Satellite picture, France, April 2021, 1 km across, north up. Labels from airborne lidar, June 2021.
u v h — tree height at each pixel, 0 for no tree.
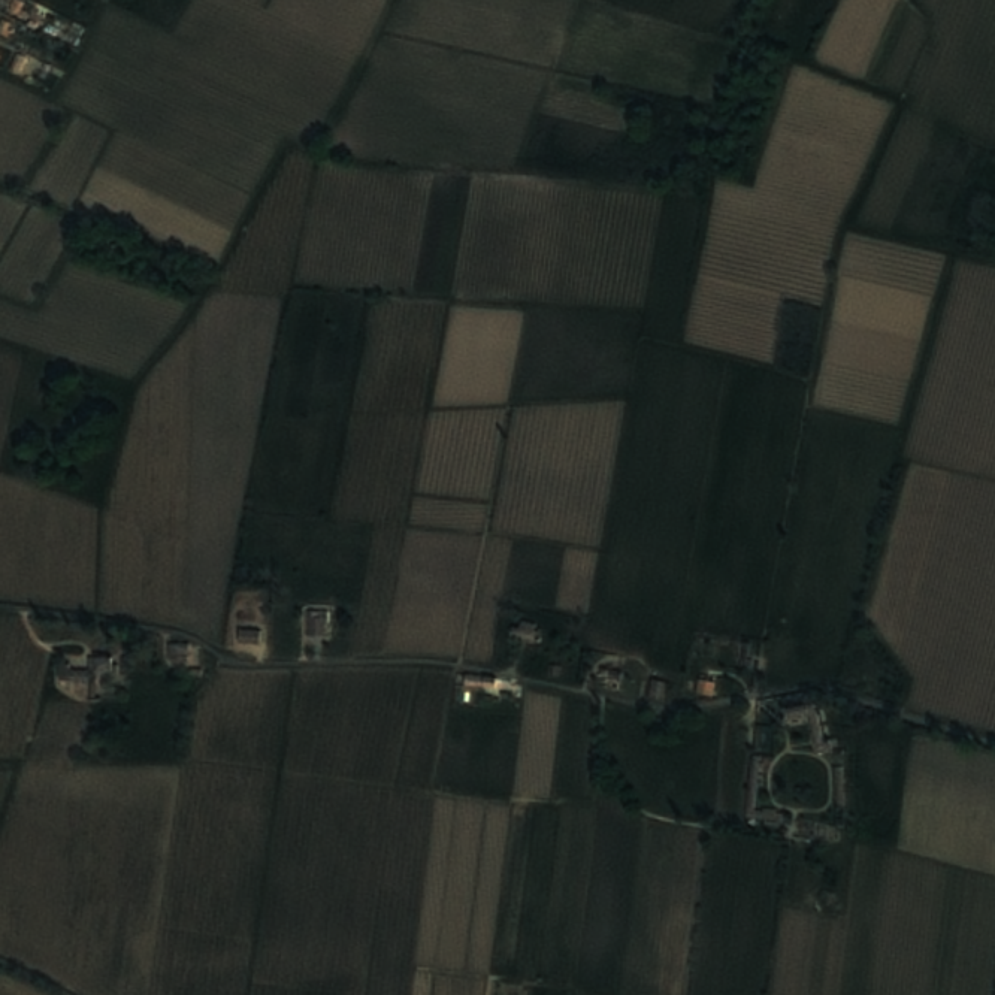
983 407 0
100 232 23
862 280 0
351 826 0
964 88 0
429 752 0
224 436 0
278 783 0
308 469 0
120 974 0
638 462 0
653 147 6
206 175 0
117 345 0
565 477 0
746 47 8
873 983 0
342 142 0
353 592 0
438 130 0
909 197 0
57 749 0
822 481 0
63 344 0
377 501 0
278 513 0
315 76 0
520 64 0
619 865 0
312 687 0
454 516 0
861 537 0
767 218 0
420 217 0
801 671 0
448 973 0
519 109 0
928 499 0
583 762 0
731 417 0
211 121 0
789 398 0
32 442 20
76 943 0
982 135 0
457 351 0
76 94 0
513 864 0
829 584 0
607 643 0
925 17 0
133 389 0
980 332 0
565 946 0
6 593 0
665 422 0
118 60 0
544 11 0
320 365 0
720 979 0
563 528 0
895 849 0
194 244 0
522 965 0
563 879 0
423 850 0
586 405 0
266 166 0
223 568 0
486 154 0
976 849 0
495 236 0
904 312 0
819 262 0
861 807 0
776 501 0
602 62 0
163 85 0
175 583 0
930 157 0
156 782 0
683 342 0
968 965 0
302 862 0
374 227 0
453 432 0
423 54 0
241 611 0
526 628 0
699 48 0
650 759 0
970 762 0
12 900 0
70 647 0
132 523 0
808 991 0
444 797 0
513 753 0
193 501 0
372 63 0
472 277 0
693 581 0
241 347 0
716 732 0
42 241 0
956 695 0
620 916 0
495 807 0
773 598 0
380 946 0
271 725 0
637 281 0
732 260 0
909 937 0
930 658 0
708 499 0
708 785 0
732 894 0
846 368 0
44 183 0
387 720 0
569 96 0
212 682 0
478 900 0
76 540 0
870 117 0
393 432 0
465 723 0
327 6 0
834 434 0
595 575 0
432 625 0
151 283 18
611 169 7
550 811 0
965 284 0
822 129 0
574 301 0
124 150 0
